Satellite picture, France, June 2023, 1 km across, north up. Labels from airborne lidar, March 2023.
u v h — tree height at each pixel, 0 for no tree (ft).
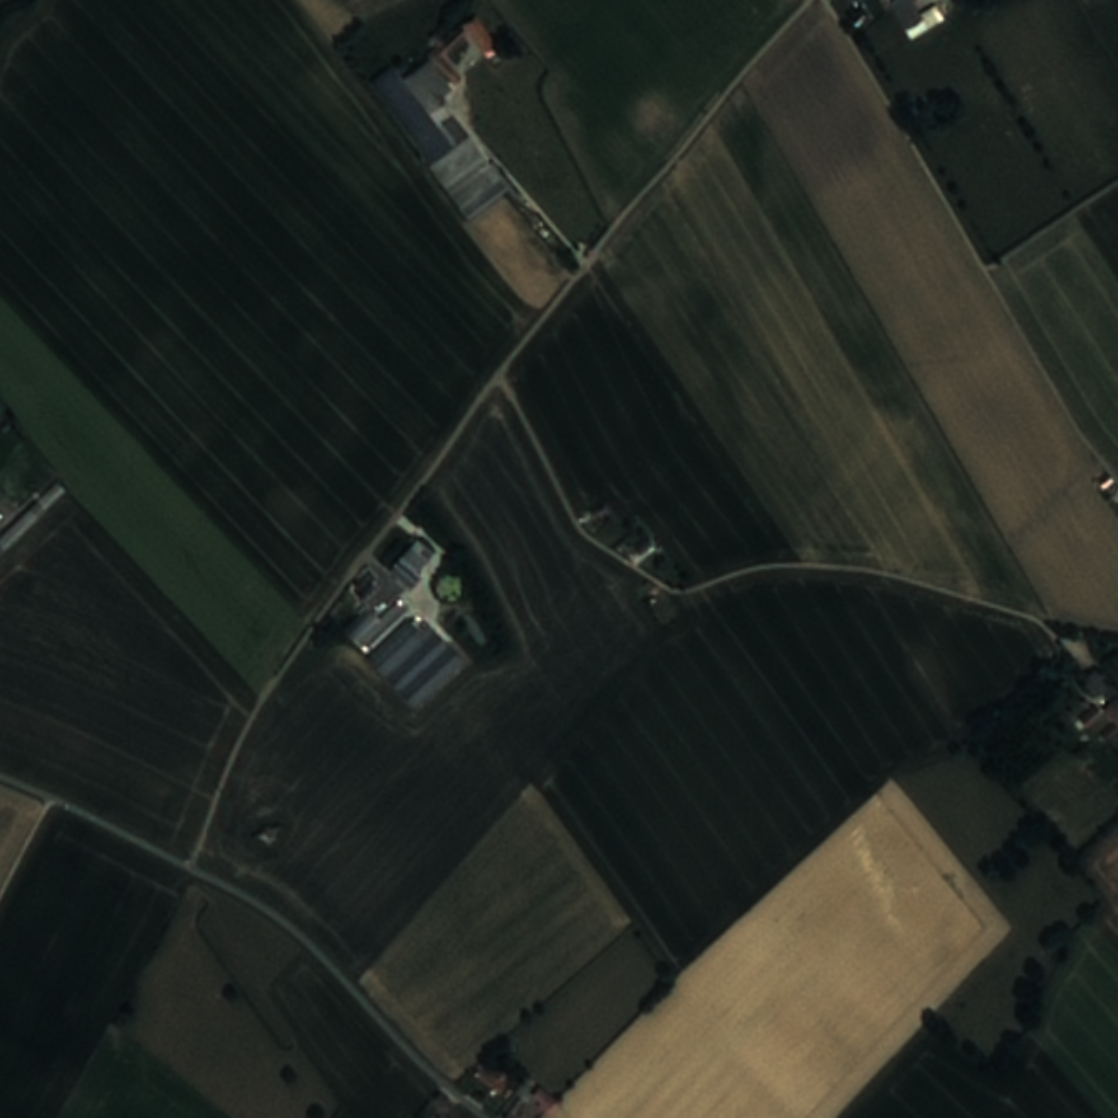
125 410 0
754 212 0
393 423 0
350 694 0
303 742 0
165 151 0
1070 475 0
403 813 0
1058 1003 0
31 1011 0
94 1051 0
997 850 0
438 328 0
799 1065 0
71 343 0
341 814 0
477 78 0
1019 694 20
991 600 0
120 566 0
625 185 0
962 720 0
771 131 0
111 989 0
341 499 0
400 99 0
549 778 0
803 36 0
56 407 0
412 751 0
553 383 0
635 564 0
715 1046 0
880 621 0
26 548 0
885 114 0
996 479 0
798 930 0
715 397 0
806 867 0
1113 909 0
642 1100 0
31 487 0
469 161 0
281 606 0
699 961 0
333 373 0
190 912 0
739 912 0
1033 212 0
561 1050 0
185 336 0
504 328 0
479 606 24
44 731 0
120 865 0
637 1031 0
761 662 0
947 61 0
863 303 0
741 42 0
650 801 0
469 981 0
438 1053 0
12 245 0
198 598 0
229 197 0
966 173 0
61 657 0
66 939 0
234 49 0
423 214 0
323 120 0
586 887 0
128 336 0
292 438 0
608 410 0
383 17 0
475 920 0
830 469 0
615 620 0
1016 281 0
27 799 0
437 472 0
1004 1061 53
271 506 0
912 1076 0
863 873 0
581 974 0
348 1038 0
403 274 0
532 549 0
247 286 0
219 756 0
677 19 0
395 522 0
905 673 0
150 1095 0
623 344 0
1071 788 0
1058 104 0
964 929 0
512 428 0
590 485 0
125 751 0
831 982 0
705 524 0
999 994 0
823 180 0
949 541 0
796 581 0
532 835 0
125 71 0
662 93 0
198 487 0
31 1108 0
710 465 0
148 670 0
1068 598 0
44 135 0
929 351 0
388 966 0
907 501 0
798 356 0
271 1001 0
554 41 0
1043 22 0
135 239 0
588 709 0
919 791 0
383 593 0
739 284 0
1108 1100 0
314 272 0
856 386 0
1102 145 0
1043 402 0
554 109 0
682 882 0
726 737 0
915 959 0
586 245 0
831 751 0
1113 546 0
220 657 0
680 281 0
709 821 0
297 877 0
